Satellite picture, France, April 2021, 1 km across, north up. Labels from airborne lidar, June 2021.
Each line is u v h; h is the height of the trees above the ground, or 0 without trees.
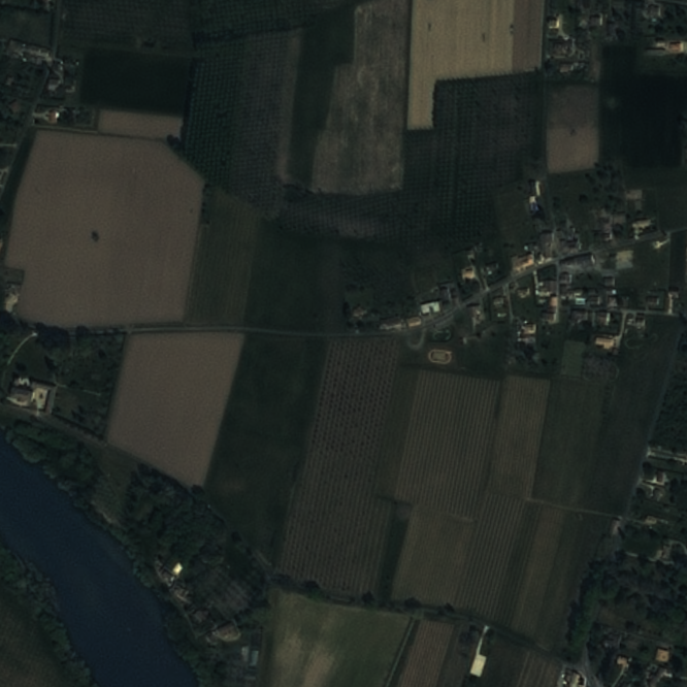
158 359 0
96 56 0
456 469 0
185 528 22
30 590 10
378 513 0
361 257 0
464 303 0
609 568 15
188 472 0
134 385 0
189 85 0
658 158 0
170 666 0
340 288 0
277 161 26
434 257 0
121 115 0
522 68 0
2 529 0
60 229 0
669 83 0
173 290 0
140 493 28
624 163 0
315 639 0
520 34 0
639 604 10
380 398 6
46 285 0
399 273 0
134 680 0
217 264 0
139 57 0
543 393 0
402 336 0
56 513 0
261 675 0
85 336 21
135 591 0
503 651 0
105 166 0
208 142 27
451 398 0
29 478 0
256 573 18
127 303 0
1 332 17
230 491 0
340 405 6
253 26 21
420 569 0
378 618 0
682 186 0
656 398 0
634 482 0
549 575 0
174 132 0
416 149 17
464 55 0
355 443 6
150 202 0
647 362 0
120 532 14
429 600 0
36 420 13
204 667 15
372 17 0
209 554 22
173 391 0
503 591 0
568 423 0
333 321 0
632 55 0
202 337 0
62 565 0
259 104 24
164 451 0
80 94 0
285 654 0
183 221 0
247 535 0
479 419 0
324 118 0
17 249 0
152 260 0
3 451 0
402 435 0
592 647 11
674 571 11
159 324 0
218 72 19
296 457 0
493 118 18
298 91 0
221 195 0
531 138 16
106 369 6
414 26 0
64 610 0
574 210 0
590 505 0
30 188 0
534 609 0
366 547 0
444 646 0
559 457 0
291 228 13
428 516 0
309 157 0
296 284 0
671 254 0
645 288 0
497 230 15
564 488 0
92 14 19
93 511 23
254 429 0
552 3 11
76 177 0
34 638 0
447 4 0
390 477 0
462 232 14
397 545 0
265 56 26
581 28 6
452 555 0
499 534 0
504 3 0
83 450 15
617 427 0
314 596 19
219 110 26
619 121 0
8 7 8
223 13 21
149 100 0
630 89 0
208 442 0
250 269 0
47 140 0
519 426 0
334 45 0
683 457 0
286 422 0
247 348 0
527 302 0
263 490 0
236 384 0
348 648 0
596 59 0
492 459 0
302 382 0
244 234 0
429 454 0
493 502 0
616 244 0
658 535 10
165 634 0
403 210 10
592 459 0
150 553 0
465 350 0
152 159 0
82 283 0
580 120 0
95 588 0
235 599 14
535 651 0
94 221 0
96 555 0
